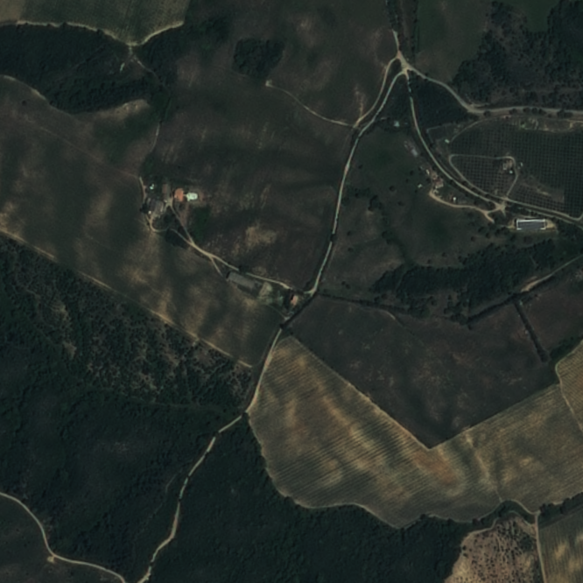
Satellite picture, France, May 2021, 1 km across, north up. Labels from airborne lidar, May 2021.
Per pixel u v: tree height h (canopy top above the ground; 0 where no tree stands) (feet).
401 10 29
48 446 18
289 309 44
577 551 0
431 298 23
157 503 32
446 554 22
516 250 35
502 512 29
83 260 0
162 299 0
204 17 0
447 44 0
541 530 0
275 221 0
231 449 25
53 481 22
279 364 0
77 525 25
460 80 19
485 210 0
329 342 0
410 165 0
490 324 0
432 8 0
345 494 0
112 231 0
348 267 0
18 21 0
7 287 23
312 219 0
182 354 25
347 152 0
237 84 0
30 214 0
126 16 0
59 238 0
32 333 43
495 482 0
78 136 0
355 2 0
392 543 35
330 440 0
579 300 0
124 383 27
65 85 28
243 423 19
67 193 0
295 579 47
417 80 28
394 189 23
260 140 0
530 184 0
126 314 22
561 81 21
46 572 0
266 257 0
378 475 0
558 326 0
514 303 45
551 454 0
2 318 32
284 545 34
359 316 0
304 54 0
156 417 32
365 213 0
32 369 25
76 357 20
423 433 0
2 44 20
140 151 0
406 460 0
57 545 41
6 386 18
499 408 0
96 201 0
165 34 20
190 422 23
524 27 26
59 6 0
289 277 0
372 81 0
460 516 0
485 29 0
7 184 0
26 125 0
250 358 0
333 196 0
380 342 0
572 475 0
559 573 0
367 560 24
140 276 0
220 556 28
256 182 0
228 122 0
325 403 0
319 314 0
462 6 0
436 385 0
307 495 0
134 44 0
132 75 0
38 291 18
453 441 0
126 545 34
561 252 0
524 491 0
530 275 21
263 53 26
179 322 0
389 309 36
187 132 0
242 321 0
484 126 0
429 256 0
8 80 0
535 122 0
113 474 20
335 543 22
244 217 0
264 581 17
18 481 23
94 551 37
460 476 0
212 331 0
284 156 0
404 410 0
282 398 0
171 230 21
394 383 0
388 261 0
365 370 0
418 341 0
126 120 0
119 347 23
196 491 18
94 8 0
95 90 33
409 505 0
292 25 0
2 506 0
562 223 35
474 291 33
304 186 0
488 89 19
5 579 0
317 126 0
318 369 0
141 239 0
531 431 0
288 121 0
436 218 0
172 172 0
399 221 0
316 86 0
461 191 18
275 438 0
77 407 49
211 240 0
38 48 20
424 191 0
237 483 33
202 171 0
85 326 33
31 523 0
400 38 32
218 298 0
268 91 0
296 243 0
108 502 30
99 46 21
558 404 0
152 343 20
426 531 21
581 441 0
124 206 0
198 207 0
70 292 24
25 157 0
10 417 23
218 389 38
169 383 23
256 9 0
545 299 0
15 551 0
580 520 0
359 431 0
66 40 24
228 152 0
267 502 26
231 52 0
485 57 25
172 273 0
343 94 0
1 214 0
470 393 0
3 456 22
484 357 0
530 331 41
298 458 0
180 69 0
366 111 0
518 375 0
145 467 28
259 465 35
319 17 0
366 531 44
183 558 23
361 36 0
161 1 0
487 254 38
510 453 0
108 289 0
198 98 0
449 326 0
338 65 0
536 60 26
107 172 0
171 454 39
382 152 0
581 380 0
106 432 24
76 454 27
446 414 0
